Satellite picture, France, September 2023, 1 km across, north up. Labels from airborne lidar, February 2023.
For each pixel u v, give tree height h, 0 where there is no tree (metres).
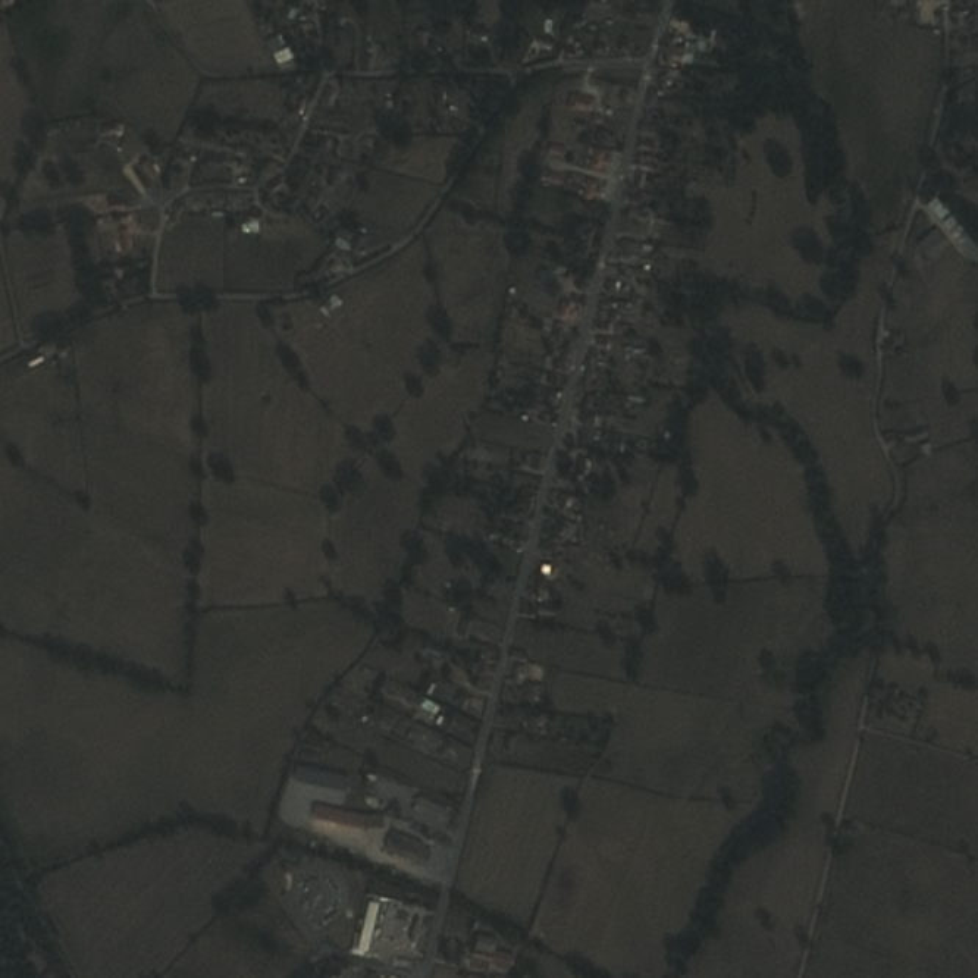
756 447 0
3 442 0
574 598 0
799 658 0
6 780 0
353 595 0
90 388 0
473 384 0
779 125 0
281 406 0
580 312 0
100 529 0
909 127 0
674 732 0
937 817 0
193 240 0
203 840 0
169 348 0
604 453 13
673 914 0
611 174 0
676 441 21
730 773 0
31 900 13
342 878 0
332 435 0
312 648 0
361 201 0
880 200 0
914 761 0
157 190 0
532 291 0
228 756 0
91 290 21
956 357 0
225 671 0
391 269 0
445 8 18
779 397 0
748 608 0
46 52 0
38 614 0
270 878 0
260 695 0
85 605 0
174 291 0
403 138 18
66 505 0
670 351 0
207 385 0
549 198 0
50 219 12
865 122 0
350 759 0
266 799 0
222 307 0
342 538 0
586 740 14
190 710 0
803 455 18
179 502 0
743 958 0
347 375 0
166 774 0
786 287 0
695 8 7
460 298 0
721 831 0
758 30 17
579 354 0
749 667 0
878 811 0
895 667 0
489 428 0
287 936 0
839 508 0
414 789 0
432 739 0
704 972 0
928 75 0
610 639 17
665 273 0
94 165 0
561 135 0
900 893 0
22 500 0
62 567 0
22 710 0
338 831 0
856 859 0
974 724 0
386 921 0
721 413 0
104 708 0
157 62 0
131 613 0
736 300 20
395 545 0
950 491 0
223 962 0
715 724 0
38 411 0
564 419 0
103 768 0
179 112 0
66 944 0
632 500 0
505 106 22
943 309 0
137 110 0
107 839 0
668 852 0
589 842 0
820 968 0
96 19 0
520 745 0
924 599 0
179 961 0
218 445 0
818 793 0
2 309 0
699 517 0
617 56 0
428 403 0
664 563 13
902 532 0
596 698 0
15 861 19
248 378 0
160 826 11
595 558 0
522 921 0
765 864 0
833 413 0
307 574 0
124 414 0
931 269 0
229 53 0
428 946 0
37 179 0
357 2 12
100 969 0
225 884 0
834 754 0
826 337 0
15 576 0
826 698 0
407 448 0
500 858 0
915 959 0
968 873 0
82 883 0
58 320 13
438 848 0
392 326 0
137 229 0
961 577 0
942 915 0
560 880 0
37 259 0
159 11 0
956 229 0
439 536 7
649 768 0
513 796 0
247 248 0
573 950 0
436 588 0
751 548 0
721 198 0
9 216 0
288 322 0
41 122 12
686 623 0
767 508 0
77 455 0
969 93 0
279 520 0
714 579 15
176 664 0
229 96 0
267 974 0
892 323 0
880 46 0
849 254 19
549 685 0
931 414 0
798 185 0
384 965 0
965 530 0
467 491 10
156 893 0
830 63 0
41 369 0
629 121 0
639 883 0
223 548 0
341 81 7
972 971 0
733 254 0
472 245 0
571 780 0
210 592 0
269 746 0
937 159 12
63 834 0
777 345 0
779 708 0
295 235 0
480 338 0
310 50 9
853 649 9
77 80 0
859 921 0
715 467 0
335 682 14
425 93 0
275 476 0
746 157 12
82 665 15
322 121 0
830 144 23
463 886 0
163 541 0
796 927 0
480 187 0
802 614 0
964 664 0
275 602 0
